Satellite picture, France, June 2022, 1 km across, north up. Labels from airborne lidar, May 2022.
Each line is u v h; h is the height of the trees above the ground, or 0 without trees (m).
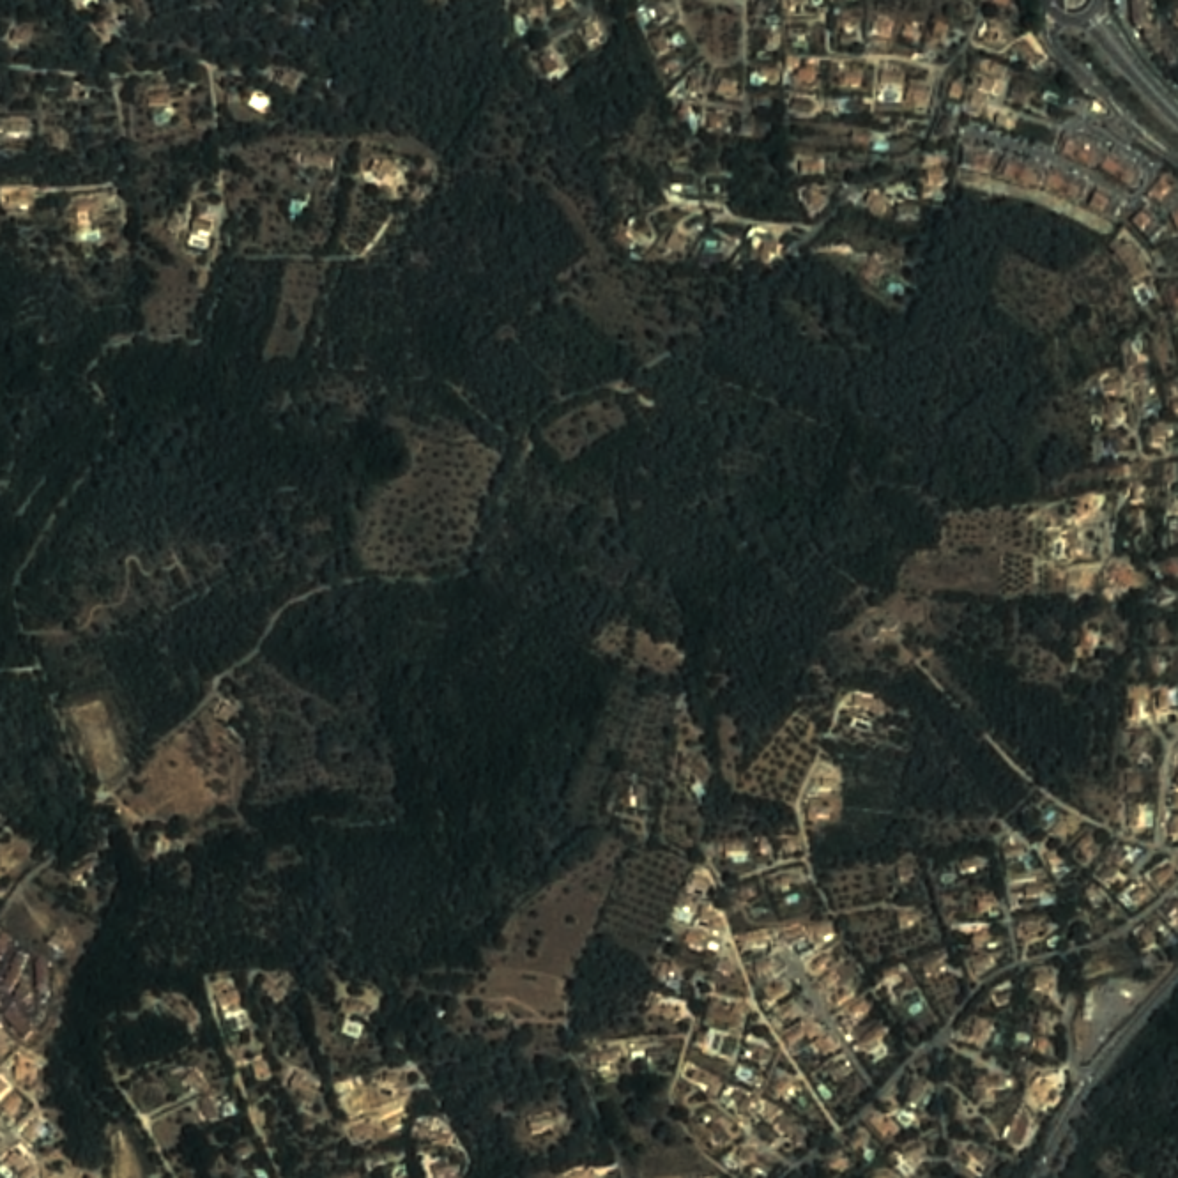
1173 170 7
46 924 0
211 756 10
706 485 12
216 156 11
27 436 16
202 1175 8
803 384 20
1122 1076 10
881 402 19
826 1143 17
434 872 6
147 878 12
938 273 18
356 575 8
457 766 6
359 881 7
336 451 11
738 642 10
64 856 14
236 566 15
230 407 9
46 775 21
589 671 7
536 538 11
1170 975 0
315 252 9
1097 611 22
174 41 18
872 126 10
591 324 11
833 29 6
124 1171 0
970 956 9
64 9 12
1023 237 17
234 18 17
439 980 9
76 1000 9
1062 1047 9
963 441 17
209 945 8
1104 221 0
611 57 11
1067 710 8
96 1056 12
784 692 12
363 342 8
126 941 16
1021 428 20
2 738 15
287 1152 6
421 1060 11
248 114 0
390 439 19
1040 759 9
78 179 12
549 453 11
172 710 6
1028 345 14
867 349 17
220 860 11
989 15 13
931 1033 11
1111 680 7
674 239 0
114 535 8
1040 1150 14
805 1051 0
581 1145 20
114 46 11
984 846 8
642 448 13
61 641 0
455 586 10
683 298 12
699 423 14
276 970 11
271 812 10
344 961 16
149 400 7
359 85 18
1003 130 6
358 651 6
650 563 10
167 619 6
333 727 12
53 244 12
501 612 6
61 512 8
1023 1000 10
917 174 10
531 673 7
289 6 18
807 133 8
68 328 11
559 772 9
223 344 7
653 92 7
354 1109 0
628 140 5
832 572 10
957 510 8
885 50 0
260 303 9
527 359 11
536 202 8
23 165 8
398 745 13
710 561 10
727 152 8
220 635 11
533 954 9
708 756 13
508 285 11
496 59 19
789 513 19
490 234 11
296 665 10
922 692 9
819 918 7
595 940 6
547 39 19
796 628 11
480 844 14
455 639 9
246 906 8
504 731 7
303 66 18
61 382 10
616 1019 12
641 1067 8
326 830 11
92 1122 13
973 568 0
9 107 17
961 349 16
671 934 6
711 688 8
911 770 9
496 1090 16
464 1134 10
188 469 10
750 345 20
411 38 20
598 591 9
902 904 14
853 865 10
